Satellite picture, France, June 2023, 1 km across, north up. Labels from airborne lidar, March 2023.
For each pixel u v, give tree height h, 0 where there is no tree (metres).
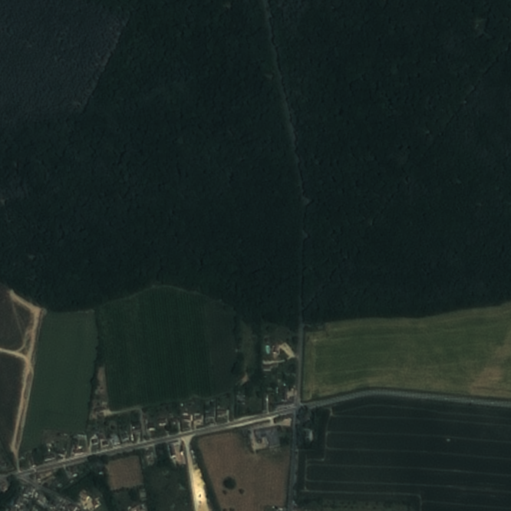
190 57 12
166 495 0
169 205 27
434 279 19
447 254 19
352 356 0
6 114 16
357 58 27
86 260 30
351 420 0
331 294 26
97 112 24
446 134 17
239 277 24
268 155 25
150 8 22
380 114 30
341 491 0
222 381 0
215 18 22
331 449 0
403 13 29
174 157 24
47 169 23
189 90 23
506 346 0
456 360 0
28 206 20
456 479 0
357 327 0
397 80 30
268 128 24
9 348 0
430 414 0
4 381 0
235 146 18
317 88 27
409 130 27
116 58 18
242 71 11
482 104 20
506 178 20
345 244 23
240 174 22
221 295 16
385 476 0
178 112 27
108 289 24
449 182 14
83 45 17
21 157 26
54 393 0
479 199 14
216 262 29
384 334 0
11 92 22
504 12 21
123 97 16
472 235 17
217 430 0
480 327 0
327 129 28
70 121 19
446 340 0
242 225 27
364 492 0
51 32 18
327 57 24
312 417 7
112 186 19
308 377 0
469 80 20
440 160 19
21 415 0
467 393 0
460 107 13
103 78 16
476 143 17
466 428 0
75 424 0
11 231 23
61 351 0
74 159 24
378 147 29
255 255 28
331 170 30
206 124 24
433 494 0
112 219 28
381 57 28
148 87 14
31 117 21
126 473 0
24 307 0
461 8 27
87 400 0
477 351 0
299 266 25
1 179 15
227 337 0
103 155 27
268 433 0
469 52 26
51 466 0
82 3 25
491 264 20
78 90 15
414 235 18
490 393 0
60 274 27
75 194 20
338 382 0
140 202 26
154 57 15
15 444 0
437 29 25
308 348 0
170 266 24
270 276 26
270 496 0
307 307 20
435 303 21
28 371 0
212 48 22
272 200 25
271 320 19
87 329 0
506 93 19
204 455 0
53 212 21
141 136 24
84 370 0
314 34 25
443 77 21
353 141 27
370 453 0
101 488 7
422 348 0
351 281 19
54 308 11
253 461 0
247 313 21
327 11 24
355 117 30
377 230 18
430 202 19
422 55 25
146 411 7
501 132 18
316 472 0
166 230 27
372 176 28
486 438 0
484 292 24
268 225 27
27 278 25
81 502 0
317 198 25
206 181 26
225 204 26
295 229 27
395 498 0
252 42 26
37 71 18
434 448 0
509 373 0
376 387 0
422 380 0
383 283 20
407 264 20
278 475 0
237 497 0
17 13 20
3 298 0
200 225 27
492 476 0
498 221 18
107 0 20
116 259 27
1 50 18
